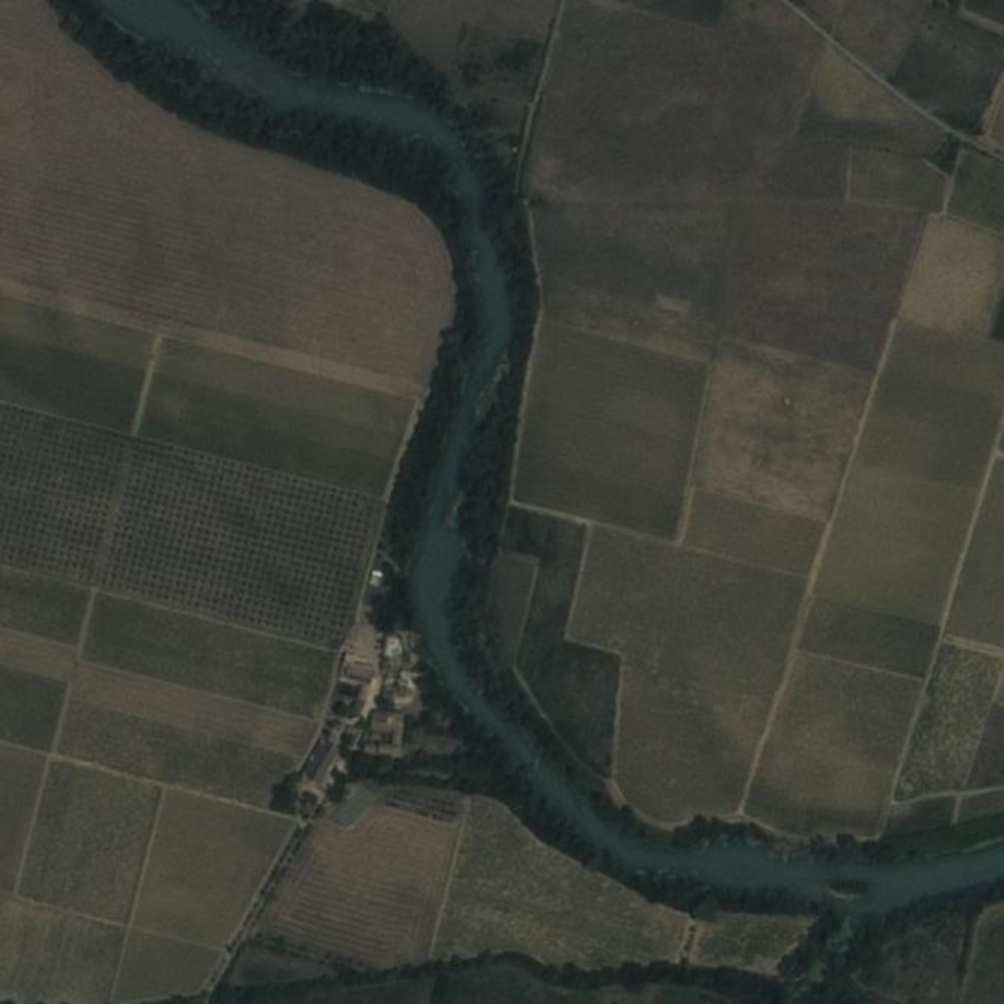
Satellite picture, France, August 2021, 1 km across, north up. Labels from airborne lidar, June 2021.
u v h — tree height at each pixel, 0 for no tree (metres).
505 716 10
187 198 0
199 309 0
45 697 0
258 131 9
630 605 0
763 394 0
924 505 0
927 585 0
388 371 0
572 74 0
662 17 0
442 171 19
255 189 0
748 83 0
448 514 0
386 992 0
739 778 0
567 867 0
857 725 0
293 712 0
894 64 0
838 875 0
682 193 0
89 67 0
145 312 0
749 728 0
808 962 11
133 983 0
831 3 0
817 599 0
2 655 0
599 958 0
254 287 0
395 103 0
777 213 0
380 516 0
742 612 0
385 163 11
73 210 0
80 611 0
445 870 0
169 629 0
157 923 0
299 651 0
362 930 0
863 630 0
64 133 0
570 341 0
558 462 0
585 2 0
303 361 0
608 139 0
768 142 0
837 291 0
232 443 0
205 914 0
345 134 11
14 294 0
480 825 0
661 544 0
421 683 15
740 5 0
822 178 0
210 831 0
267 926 0
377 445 0
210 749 0
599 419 0
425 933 0
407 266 0
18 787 0
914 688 0
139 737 0
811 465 0
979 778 0
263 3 18
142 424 0
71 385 0
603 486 0
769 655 0
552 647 0
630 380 0
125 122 0
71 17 9
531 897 0
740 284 0
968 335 0
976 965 0
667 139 0
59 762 0
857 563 0
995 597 0
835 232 0
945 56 0
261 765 0
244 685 0
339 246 0
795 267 0
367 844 0
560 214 0
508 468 9
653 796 0
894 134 0
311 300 0
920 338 0
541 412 0
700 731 0
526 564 0
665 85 0
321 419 0
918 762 0
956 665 0
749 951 0
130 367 0
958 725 0
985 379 0
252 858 0
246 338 0
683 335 0
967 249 0
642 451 0
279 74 0
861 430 0
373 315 0
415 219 0
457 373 20
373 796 0
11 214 0
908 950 11
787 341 0
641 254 0
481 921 0
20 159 0
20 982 0
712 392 0
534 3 0
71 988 0
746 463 0
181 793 0
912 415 0
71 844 0
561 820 15
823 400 0
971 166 0
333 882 0
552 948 0
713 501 0
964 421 0
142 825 0
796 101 0
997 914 0
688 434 0
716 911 19
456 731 8
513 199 10
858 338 0
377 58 11
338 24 13
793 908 20
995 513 0
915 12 0
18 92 0
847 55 0
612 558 0
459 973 6
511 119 0
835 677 0
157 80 23
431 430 12
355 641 0
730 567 0
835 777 0
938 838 6
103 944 0
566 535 0
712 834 25
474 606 21
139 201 0
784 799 0
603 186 0
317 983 7
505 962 10
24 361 0
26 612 0
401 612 26
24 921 0
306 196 0
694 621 0
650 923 0
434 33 0
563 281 0
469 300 22
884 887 0
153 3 0
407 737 10
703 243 0
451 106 14
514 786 9
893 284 0
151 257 0
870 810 0
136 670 0
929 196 0
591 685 0
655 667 0
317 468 0
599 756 0
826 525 0
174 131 0
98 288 0
